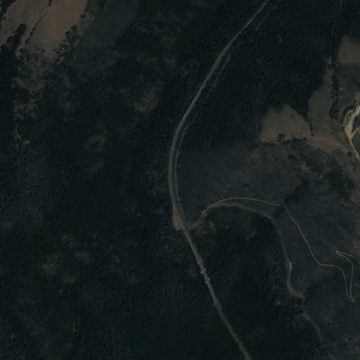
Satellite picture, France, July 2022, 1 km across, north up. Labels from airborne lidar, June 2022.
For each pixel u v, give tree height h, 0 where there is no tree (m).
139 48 15
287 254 0
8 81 16
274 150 0
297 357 14
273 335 23
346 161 0
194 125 9
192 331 14
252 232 7
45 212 13
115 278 14
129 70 14
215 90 8
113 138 15
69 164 14
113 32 0
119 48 13
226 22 21
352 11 11
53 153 16
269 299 11
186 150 9
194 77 14
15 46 15
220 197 0
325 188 0
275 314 12
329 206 0
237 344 15
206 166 0
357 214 0
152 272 14
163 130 8
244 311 22
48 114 16
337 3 12
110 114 12
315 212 0
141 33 13
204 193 0
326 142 0
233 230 17
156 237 6
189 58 25
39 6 0
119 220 15
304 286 0
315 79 20
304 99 7
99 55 7
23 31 18
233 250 9
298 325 14
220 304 9
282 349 20
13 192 7
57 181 13
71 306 15
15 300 8
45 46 0
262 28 16
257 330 20
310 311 0
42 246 16
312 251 0
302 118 0
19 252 21
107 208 15
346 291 0
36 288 15
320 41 13
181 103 16
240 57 12
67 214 19
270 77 23
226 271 14
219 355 23
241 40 9
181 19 14
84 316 15
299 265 0
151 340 21
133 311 21
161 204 9
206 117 10
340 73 0
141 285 14
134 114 12
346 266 8
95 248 11
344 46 0
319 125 0
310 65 18
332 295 0
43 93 8
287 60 22
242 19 10
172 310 14
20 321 9
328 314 0
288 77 9
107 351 19
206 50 19
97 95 15
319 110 0
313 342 10
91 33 0
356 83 0
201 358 9
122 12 0
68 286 13
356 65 0
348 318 0
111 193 19
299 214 0
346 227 0
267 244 8
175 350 21
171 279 16
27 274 11
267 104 9
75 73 7
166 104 20
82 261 9
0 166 20
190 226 0
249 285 26
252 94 7
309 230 0
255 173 0
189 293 15
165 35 9
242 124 6
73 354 15
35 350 9
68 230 10
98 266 18
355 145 0
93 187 20
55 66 8
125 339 20
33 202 17
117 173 19
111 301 22
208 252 13
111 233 13
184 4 22
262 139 0
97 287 13
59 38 0
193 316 19
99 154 13
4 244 15
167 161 9
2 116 31
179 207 0
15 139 9
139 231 21
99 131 10
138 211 17
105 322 14
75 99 14
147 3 17
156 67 10
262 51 16
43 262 8
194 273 6
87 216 16
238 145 0
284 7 16
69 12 0
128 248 11
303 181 10
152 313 21
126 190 7
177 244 12
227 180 0
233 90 12
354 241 0
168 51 10
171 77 8
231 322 17
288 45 20
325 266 0
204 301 16
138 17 6
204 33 18
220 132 8
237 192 0
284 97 7
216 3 7
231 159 0
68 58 7
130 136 15
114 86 11
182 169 0
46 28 0
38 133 21
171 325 21
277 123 0
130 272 11
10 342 19
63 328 8
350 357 0
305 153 0
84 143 9
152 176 13
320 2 18
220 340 21
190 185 0
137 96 10
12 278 16
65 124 8
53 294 18
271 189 0
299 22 21
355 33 13
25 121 12
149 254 6
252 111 7
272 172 0
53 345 6
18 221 12
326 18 19
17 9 0
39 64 0
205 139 8
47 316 22
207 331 14
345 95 0
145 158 13
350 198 0
